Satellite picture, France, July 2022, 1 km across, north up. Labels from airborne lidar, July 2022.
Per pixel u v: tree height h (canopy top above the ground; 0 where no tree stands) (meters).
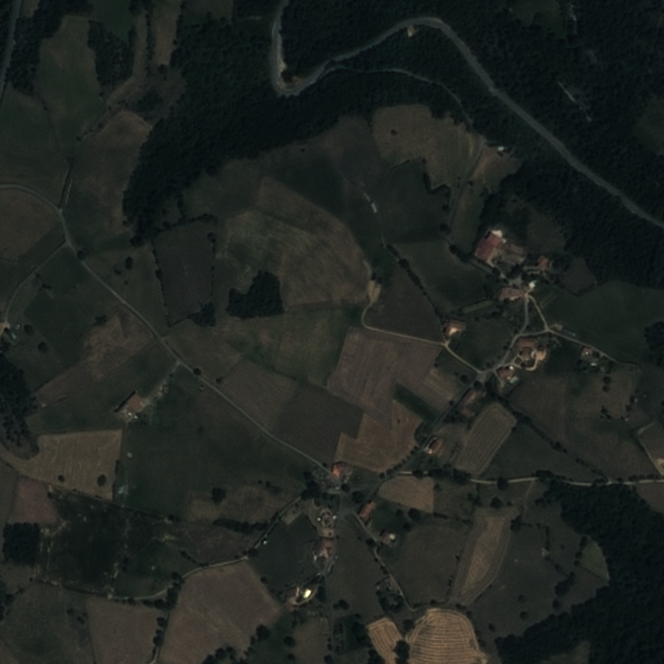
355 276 0
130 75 11
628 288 0
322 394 0
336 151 0
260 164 0
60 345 0
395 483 0
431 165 0
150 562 0
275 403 0
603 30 17
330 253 0
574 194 14
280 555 0
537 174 7
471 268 0
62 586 0
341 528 0
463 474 12
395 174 0
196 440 0
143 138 0
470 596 0
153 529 0
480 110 14
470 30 13
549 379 0
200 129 21
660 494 0
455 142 0
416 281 11
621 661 21
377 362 0
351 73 13
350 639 0
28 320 0
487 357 0
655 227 18
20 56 9
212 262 0
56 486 0
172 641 0
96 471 0
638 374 0
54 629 0
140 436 0
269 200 0
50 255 0
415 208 0
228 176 0
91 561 0
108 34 5
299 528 0
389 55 8
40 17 17
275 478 0
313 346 0
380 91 14
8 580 0
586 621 14
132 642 0
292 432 0
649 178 17
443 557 0
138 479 0
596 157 22
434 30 7
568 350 0
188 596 0
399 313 0
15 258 0
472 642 0
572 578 8
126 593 0
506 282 8
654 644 13
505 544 0
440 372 0
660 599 10
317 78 0
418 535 0
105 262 0
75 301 0
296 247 0
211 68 15
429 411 0
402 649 18
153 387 0
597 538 15
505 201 9
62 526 0
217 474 0
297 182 0
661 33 13
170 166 14
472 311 0
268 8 19
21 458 0
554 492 13
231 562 0
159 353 0
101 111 0
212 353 0
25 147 0
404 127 0
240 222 0
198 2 0
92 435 0
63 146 0
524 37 19
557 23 0
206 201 0
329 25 10
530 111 9
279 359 0
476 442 0
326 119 11
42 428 0
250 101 16
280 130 11
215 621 0
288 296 0
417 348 0
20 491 0
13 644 0
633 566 12
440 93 13
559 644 24
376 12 13
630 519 15
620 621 22
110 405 0
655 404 0
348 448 0
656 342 10
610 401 0
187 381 0
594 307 0
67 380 0
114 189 0
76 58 0
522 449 0
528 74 15
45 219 0
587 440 0
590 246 18
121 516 0
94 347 0
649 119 0
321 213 0
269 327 0
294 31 13
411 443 0
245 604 0
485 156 0
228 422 0
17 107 0
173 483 0
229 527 8
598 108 23
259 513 0
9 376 13
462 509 0
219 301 0
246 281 0
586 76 25
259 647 0
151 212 25
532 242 0
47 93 0
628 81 21
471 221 0
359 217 0
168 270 0
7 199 0
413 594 0
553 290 0
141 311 0
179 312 0
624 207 12
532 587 0
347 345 0
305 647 0
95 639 0
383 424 0
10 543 11
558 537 0
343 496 0
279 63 0
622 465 0
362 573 0
